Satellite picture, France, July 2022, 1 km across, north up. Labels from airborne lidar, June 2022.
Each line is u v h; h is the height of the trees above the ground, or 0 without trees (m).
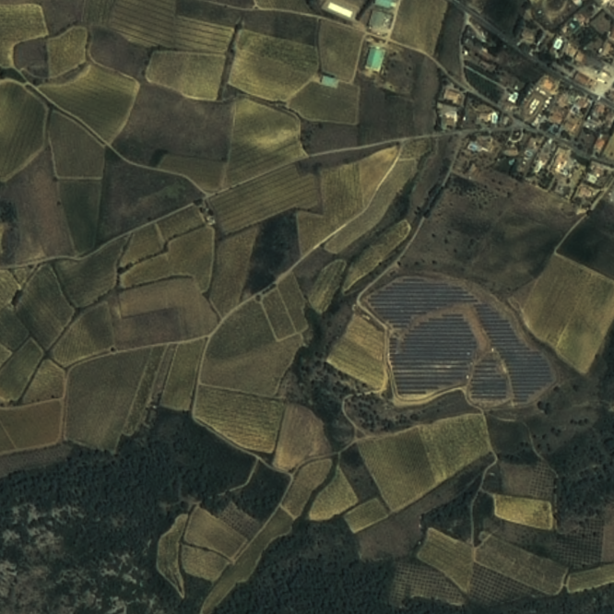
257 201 0
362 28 0
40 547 0
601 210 0
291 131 0
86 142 0
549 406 12
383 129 0
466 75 6
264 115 0
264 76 0
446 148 0
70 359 0
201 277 0
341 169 0
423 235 0
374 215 0
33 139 0
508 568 0
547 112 8
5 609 0
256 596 8
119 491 9
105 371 0
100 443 0
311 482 0
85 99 0
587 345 0
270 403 0
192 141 0
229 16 0
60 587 6
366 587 13
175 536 0
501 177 0
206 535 0
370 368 0
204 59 0
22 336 0
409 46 0
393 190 0
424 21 0
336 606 15
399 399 0
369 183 0
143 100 0
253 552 0
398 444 0
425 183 0
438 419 0
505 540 0
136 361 0
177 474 15
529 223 0
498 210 0
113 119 0
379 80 0
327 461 0
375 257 0
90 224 0
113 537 10
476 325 0
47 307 0
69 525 7
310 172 0
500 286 0
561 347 0
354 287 0
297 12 0
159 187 0
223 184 0
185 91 0
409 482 0
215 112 0
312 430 0
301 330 0
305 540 8
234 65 0
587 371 0
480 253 0
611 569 0
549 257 0
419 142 0
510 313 0
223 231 0
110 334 0
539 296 0
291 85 0
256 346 0
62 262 0
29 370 0
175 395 0
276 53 0
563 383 0
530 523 0
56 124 0
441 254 0
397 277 0
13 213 8
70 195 0
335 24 0
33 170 0
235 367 0
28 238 0
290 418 0
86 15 0
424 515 8
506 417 0
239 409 0
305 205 0
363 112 0
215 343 0
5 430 0
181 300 0
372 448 0
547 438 8
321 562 15
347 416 0
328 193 0
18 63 0
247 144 0
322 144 0
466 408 0
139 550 9
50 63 0
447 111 0
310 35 0
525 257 0
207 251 0
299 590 14
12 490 9
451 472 0
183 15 0
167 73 0
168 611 13
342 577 13
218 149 0
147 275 0
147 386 0
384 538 0
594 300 0
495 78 8
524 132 6
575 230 0
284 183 0
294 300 0
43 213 0
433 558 0
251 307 0
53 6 0
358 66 0
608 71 0
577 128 0
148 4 0
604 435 6
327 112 0
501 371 0
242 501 7
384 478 0
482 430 0
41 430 0
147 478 15
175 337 0
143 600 0
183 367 0
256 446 0
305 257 0
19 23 0
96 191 0
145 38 0
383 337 0
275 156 0
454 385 0
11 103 0
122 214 0
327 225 0
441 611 14
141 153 0
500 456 8
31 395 0
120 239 0
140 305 0
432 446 0
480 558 0
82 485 13
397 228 0
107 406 0
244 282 0
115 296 0
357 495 0
